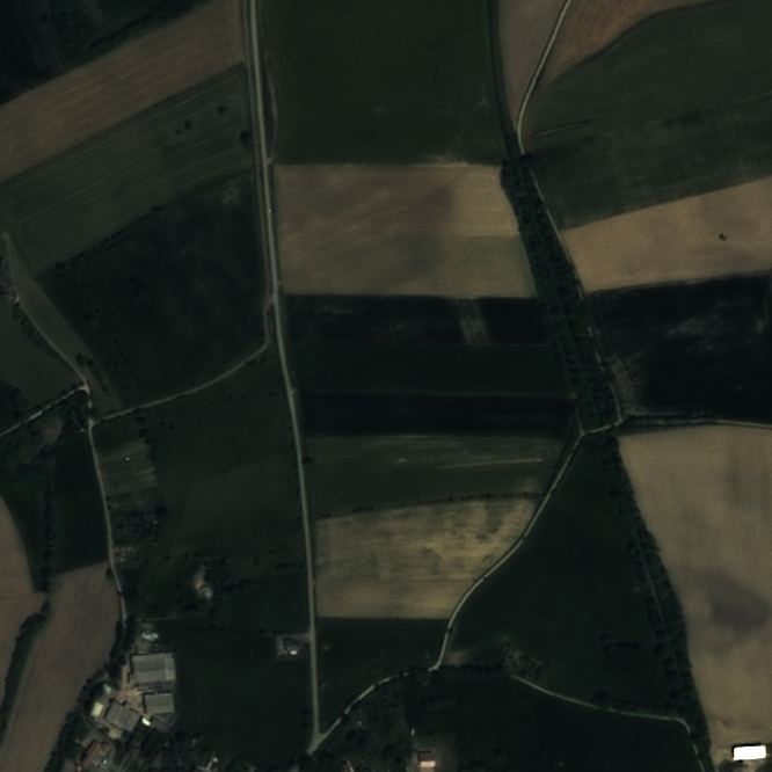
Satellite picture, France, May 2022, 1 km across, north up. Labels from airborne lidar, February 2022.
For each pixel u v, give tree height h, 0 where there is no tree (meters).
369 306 0
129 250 0
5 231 0
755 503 0
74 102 0
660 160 0
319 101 0
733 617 0
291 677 0
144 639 0
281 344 0
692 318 0
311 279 0
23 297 0
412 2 0
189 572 0
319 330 0
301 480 0
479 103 0
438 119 0
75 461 0
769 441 0
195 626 0
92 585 0
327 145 0
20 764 0
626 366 0
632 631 0
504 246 0
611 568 0
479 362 0
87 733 0
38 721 0
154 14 6
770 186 0
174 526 0
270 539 0
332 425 0
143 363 0
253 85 0
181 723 0
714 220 0
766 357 0
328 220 0
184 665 0
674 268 0
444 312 0
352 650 0
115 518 0
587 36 0
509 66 0
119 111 0
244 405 0
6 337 0
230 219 0
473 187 0
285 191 0
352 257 0
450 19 0
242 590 7
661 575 18
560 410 0
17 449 5
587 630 0
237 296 0
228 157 0
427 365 0
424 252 0
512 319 0
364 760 0
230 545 0
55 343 0
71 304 0
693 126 0
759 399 0
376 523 0
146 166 0
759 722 0
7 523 0
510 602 0
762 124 0
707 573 0
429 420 0
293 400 0
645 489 0
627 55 0
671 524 0
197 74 0
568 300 15
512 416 0
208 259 0
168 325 0
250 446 0
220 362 0
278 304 0
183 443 0
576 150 0
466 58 0
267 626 0
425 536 0
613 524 0
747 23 0
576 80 0
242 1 0
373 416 0
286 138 0
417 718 0
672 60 0
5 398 0
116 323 0
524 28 0
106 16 0
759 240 0
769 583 0
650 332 0
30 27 0
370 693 0
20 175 0
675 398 0
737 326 0
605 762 0
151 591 0
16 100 0
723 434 0
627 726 0
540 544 0
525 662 7
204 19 0
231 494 0
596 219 0
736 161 0
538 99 0
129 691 0
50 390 0
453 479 0
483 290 0
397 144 0
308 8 0
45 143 0
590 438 11
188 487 0
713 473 0
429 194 0
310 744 0
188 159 0
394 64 0
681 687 6
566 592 0
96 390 0
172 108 0
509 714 0
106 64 0
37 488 0
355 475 0
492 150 0
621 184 0
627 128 0
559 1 0
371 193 0
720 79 0
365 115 0
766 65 0
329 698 0
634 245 0
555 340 7
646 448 0
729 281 0
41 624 14
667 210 0
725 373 0
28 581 0
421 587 0
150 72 0
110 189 0
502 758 11
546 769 0
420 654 0
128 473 0
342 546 0
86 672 0
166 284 0
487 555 0
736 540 0
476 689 0
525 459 0
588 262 0
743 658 0
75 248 0
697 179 0
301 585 0
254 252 0
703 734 8
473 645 0
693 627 0
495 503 0
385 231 0
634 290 0
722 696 0
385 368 0
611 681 0
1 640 0
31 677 0
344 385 0
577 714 0
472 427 0
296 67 0
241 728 0
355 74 0
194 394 0
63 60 0
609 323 0
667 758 0
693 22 0
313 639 0
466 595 0
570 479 0
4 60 0
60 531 0
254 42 0
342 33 0
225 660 0
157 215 9
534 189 9
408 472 0
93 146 0
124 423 0
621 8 0
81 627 0
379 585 0
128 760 0
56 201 0
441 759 0
